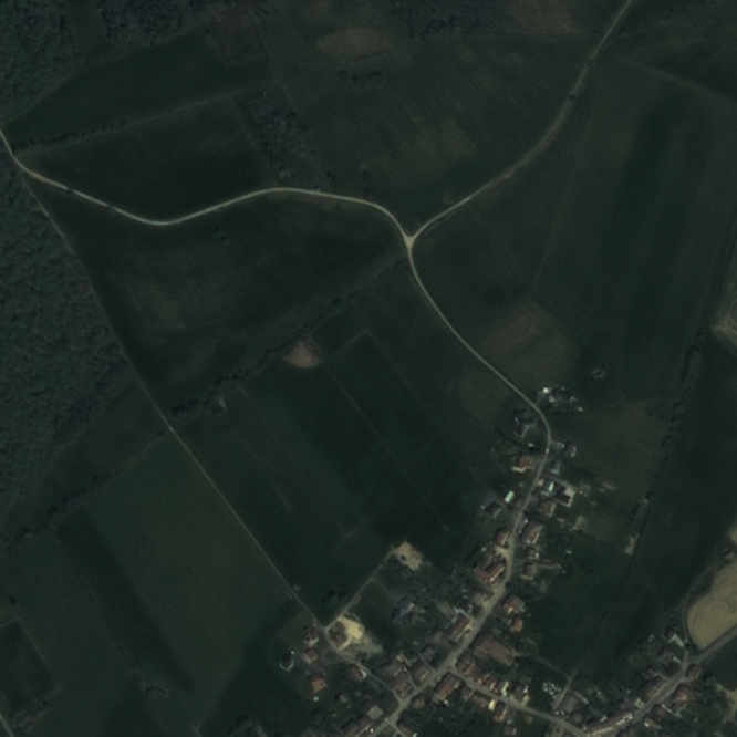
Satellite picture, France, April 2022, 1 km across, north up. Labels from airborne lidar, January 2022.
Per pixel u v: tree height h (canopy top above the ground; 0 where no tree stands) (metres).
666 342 0
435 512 0
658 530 0
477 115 0
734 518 0
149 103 0
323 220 0
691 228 0
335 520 0
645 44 0
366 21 0
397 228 0
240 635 0
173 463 0
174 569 0
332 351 0
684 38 0
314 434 0
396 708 0
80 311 22
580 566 0
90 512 0
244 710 0
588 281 0
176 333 0
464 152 0
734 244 0
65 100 0
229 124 0
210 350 0
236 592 0
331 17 0
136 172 0
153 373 0
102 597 0
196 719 0
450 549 0
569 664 0
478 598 0
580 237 0
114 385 22
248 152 0
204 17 24
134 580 0
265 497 0
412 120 0
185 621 0
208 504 0
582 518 0
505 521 0
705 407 0
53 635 0
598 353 0
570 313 0
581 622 0
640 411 0
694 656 9
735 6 0
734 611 0
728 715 0
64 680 0
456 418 0
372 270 0
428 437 0
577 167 0
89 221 0
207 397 0
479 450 0
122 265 0
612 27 0
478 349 0
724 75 0
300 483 0
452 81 0
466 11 17
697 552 0
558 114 0
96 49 0
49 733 0
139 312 0
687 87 0
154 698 13
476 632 0
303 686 0
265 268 0
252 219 0
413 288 0
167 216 0
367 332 0
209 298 0
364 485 0
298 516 0
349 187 0
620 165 0
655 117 0
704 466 0
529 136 0
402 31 0
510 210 0
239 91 0
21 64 26
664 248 0
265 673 0
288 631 0
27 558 0
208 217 0
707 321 0
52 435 21
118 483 0
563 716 0
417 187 0
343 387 0
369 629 0
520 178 0
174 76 0
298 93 0
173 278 0
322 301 0
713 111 0
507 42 0
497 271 0
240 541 0
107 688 0
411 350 0
